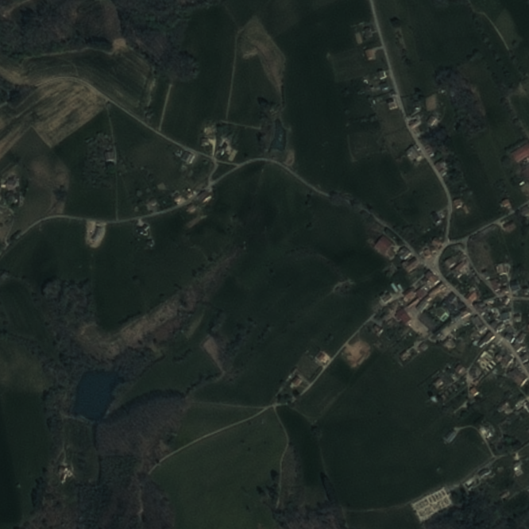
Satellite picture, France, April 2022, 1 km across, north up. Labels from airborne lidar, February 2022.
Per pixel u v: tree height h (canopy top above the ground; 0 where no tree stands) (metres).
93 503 18
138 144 0
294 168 0
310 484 0
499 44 0
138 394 0
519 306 0
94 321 25
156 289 0
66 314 23
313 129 0
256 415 0
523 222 14
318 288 0
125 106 0
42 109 0
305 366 0
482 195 0
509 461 0
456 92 29
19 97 22
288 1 0
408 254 0
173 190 0
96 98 0
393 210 0
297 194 0
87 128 0
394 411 0
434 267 0
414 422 0
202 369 0
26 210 0
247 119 0
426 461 0
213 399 0
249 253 0
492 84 0
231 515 0
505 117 0
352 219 0
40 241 0
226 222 0
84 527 20
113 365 18
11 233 0
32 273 0
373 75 0
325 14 0
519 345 0
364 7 0
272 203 0
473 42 0
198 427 0
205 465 0
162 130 0
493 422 0
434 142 27
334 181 0
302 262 0
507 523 23
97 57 0
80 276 0
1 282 12
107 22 0
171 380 0
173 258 0
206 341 0
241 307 0
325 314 0
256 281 0
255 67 0
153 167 0
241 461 0
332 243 0
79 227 0
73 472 0
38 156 0
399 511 0
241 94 0
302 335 0
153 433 34
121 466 14
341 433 0
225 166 0
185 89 0
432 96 0
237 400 0
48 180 0
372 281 0
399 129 0
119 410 0
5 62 0
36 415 0
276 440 0
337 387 0
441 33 0
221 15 0
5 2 26
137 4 25
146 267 0
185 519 0
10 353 0
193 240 0
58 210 0
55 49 22
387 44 0
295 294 0
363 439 0
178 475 0
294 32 0
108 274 0
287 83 0
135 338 0
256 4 0
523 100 0
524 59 0
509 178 0
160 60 25
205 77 0
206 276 22
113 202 0
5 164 0
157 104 0
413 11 0
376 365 0
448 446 0
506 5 0
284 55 0
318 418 0
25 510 0
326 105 0
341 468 0
